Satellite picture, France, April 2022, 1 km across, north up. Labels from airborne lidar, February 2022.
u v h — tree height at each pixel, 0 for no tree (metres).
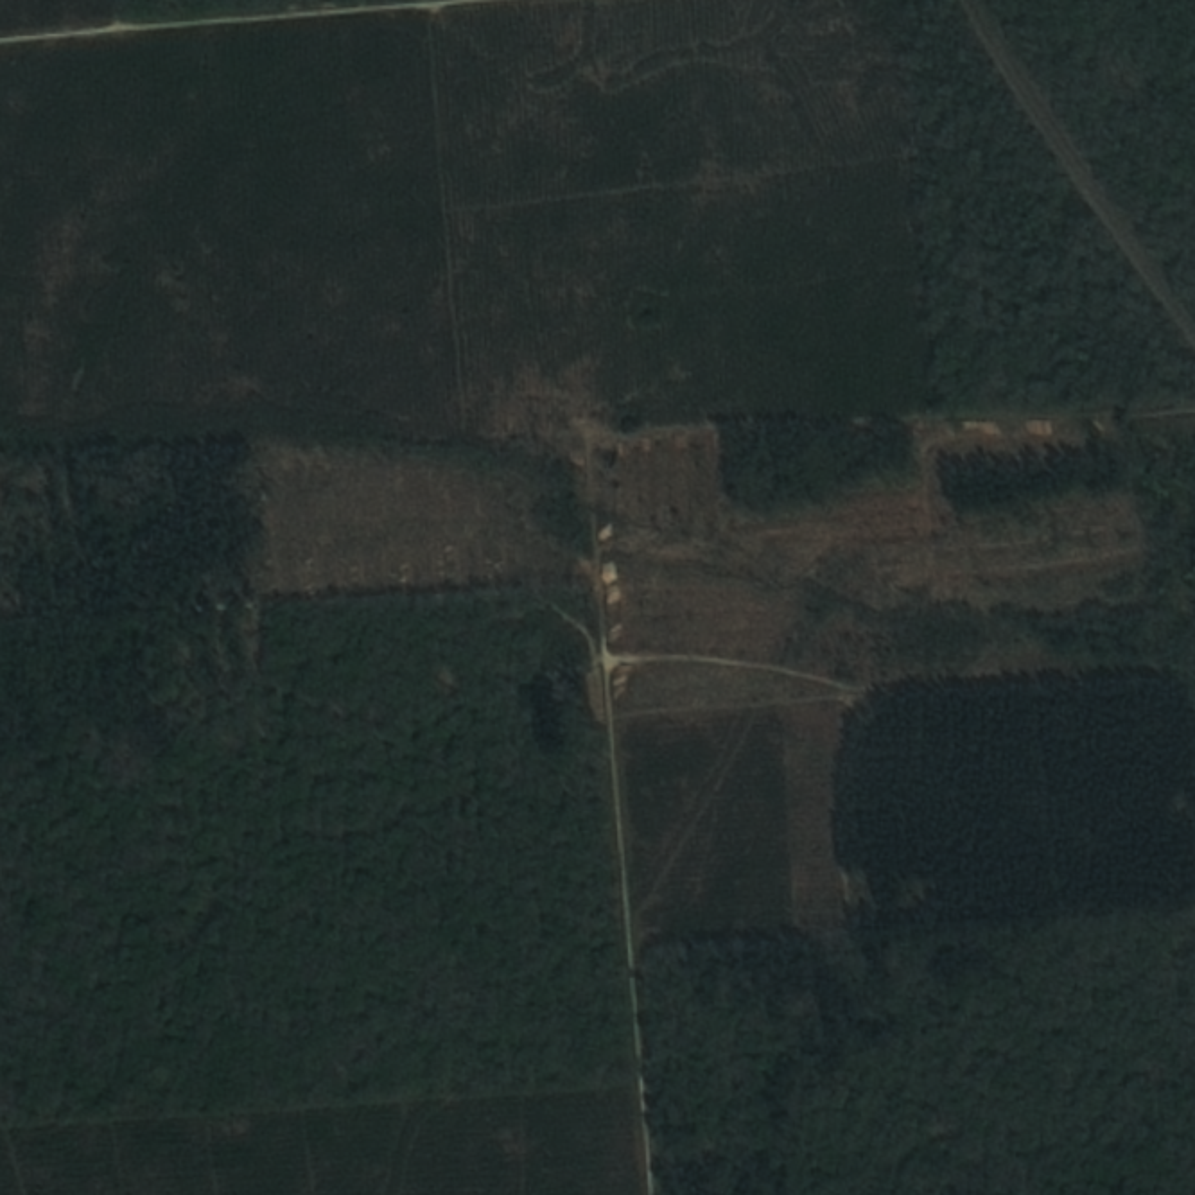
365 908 24
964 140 24
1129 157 16
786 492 23
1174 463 25
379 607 24
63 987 25
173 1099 22
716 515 24
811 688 0
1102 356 21
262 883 26
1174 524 24
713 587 0
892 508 27
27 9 0
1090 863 26
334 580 0
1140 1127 23
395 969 25
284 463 0
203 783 23
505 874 24
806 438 23
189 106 6
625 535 0
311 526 0
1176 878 25
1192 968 20
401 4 0
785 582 28
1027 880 25
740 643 0
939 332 28
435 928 23
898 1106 23
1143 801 27
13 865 25
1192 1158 25
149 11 21
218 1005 27
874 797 22
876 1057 26
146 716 19
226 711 21
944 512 0
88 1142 7
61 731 19
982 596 0
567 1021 23
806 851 0
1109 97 24
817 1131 25
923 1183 25
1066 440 0
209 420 7
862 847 22
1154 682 23
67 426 5
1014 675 0
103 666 15
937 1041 23
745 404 7
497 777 23
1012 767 25
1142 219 24
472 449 13
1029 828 26
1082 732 24
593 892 24
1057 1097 24
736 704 0
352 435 6
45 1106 23
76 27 0
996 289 28
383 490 0
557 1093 26
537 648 19
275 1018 25
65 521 21
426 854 24
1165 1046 22
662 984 21
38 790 23
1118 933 27
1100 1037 24
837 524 24
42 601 26
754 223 6
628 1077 23
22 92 8
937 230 24
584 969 23
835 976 26
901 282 6
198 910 19
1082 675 0
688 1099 24
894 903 27
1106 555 0
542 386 0
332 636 25
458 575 0
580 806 20
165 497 23
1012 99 22
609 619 0
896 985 29
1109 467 32
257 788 24
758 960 27
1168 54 25
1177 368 24
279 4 24
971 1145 26
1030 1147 24
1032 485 29
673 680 0
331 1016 22
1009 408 22
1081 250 25
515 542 0
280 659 23
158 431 8
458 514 0
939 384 24
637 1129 0
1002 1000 23
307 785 19
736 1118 25
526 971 22
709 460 23
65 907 23
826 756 0
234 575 24
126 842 21
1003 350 23
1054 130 0
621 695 0
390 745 22
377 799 23
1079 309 27
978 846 25
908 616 10
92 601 28
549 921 20
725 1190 24
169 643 22
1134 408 21
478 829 26
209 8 19
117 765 27
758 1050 21
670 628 0
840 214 6
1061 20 20
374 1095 26
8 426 9
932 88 20
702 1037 24
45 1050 26
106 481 27
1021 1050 22
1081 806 27
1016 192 25
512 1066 22
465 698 18
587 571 0
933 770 23
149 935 23
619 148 6
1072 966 26
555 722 19
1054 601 0
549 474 14
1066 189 23
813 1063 26
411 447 12
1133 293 25
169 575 23
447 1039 25
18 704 23
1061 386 23
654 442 22
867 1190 26
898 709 21
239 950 25
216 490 25
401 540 0
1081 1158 21
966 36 22
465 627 24
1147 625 21
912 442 24
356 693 22
